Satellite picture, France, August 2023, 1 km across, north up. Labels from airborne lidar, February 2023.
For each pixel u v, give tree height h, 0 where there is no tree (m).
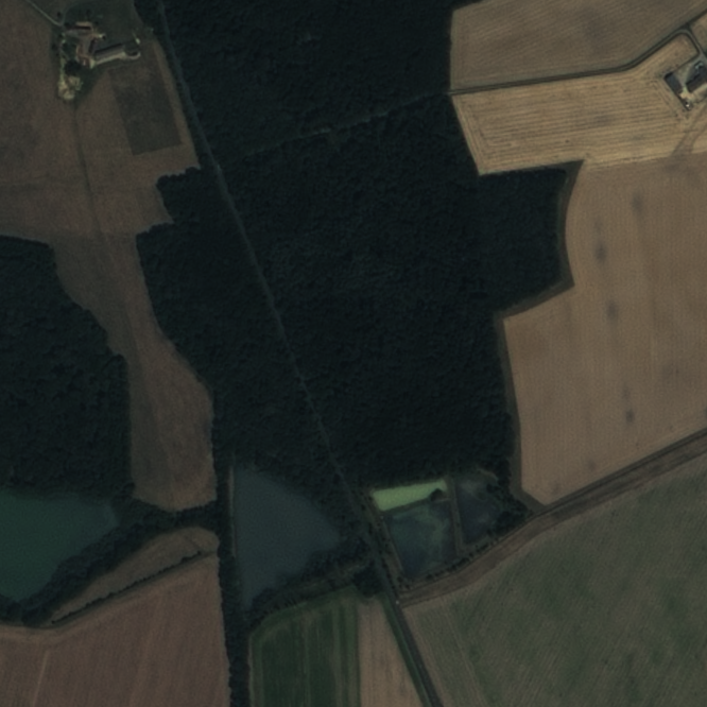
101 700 0
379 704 0
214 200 16
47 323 24
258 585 0
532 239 22
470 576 0
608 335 0
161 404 0
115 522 0
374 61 18
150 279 13
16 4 0
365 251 20
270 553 0
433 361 17
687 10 0
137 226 0
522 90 0
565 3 0
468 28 0
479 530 0
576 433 0
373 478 15
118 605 0
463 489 0
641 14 0
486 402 20
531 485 0
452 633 0
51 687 0
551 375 0
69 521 0
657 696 0
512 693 0
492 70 0
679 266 0
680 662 0
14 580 0
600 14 0
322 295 20
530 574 0
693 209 0
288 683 0
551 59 0
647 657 0
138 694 0
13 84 0
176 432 0
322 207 15
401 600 0
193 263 17
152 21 17
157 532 10
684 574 0
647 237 0
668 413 0
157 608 0
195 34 19
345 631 0
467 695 0
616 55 0
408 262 17
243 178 17
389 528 0
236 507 0
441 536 0
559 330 0
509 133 0
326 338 22
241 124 25
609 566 0
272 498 0
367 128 19
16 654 0
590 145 0
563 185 10
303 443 18
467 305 21
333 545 0
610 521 0
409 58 17
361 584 18
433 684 0
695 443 0
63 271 0
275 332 25
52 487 18
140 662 0
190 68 20
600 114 0
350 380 20
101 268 0
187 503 0
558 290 0
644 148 0
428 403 14
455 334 20
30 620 21
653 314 0
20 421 22
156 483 0
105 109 0
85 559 7
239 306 17
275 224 19
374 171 22
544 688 0
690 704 0
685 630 0
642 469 0
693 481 0
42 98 0
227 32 20
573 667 0
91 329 21
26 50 0
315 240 23
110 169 0
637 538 0
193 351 17
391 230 19
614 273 0
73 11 0
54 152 0
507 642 0
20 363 29
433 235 21
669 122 0
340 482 18
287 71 17
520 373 0
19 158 0
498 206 21
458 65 0
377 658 0
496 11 0
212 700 0
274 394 18
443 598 0
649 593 0
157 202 0
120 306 0
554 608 0
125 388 12
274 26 15
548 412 0
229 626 17
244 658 13
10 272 19
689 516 0
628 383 0
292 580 0
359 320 21
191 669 0
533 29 0
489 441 20
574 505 0
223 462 19
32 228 0
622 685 0
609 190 0
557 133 0
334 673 0
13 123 0
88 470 17
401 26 18
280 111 23
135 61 0
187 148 0
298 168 17
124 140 0
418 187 18
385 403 20
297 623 0
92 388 24
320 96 18
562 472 0
